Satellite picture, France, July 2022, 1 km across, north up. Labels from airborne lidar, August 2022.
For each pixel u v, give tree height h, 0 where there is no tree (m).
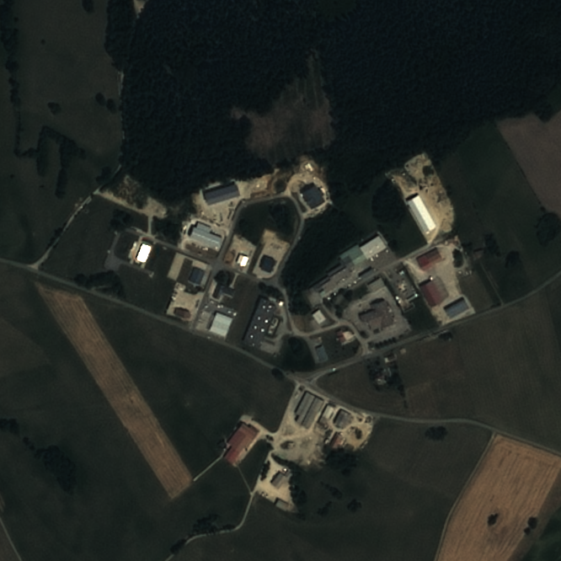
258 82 14
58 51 0
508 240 0
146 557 0
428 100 16
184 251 0
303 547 0
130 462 0
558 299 0
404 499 0
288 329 0
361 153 10
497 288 0
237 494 0
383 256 0
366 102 24
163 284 0
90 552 0
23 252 0
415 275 0
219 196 0
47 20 0
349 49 22
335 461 6
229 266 0
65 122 0
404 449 0
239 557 0
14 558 0
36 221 0
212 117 18
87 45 0
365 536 0
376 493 0
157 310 0
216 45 15
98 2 0
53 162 0
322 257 7
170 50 18
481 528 0
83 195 0
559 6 20
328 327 0
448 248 0
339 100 15
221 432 0
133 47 13
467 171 0
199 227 0
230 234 0
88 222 0
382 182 0
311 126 0
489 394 0
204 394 0
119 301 0
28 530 0
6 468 0
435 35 22
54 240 7
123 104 10
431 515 0
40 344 0
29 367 0
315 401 0
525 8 15
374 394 0
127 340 0
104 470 0
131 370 0
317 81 0
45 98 0
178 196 14
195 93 15
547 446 0
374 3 26
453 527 0
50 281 0
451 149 16
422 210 0
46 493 0
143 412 0
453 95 16
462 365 0
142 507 0
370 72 20
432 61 13
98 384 0
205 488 0
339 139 6
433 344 0
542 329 0
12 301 0
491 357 0
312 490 0
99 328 0
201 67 19
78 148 14
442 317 0
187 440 0
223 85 15
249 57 22
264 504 0
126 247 0
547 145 0
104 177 13
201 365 0
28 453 0
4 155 0
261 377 0
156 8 22
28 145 0
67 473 20
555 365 0
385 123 19
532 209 0
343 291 9
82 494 0
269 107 15
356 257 0
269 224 0
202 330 0
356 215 0
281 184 0
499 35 25
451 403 0
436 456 0
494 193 0
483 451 0
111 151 0
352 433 0
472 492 0
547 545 0
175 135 23
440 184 0
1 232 0
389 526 0
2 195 0
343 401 0
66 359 0
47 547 0
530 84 14
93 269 0
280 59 23
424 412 0
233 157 19
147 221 0
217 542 0
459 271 0
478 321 0
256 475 0
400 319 0
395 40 26
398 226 7
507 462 0
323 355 0
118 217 6
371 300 0
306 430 0
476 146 0
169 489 0
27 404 0
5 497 0
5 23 23
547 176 0
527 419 0
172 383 0
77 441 0
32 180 0
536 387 0
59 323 0
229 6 18
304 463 0
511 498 0
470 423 0
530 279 0
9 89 0
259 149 0
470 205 0
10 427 16
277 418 0
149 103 24
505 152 0
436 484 0
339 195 21
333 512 0
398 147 17
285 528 0
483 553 0
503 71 26
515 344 0
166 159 11
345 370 0
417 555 0
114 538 0
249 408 0
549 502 0
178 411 0
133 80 14
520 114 16
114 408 0
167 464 0
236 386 0
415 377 0
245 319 0
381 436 0
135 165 10
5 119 0
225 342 0
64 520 0
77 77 0
